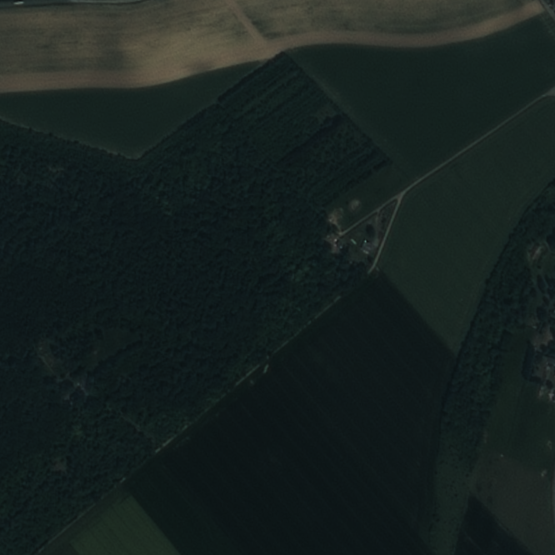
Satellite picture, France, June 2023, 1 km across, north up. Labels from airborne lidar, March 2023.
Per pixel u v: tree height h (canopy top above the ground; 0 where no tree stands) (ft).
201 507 0
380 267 0
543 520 0
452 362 0
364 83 0
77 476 63
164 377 30
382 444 0
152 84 0
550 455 0
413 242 0
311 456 0
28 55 0
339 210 0
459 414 62
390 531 0
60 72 0
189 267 48
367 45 0
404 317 0
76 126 0
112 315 37
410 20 0
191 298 57
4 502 31
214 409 0
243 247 56
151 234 63
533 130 0
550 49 0
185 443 0
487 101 0
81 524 0
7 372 64
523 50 0
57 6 0
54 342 33
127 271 52
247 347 51
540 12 0
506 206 0
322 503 0
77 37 0
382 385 0
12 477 20
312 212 61
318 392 0
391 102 0
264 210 27
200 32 0
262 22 0
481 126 0
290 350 0
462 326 0
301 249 30
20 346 55
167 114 0
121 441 49
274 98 27
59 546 0
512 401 0
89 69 0
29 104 0
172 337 39
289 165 28
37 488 58
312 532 0
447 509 0
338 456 0
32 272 57
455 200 0
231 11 0
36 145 31
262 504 0
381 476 0
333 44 0
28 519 55
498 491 0
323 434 0
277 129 23
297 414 0
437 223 0
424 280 0
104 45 0
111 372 42
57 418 53
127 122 0
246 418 0
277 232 31
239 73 0
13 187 59
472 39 0
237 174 34
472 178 0
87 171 54
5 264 75
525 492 0
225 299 54
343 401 0
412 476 0
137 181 49
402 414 0
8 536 28
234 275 51
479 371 62
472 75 0
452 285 0
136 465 47
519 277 48
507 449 0
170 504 0
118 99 0
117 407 30
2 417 57
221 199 51
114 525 0
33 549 22
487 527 0
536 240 23
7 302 57
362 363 0
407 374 0
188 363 54
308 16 0
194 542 0
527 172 0
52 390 73
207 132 34
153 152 21
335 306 0
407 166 0
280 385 0
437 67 0
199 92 0
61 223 68
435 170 0
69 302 59
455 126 0
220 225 57
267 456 0
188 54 0
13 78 0
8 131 20
